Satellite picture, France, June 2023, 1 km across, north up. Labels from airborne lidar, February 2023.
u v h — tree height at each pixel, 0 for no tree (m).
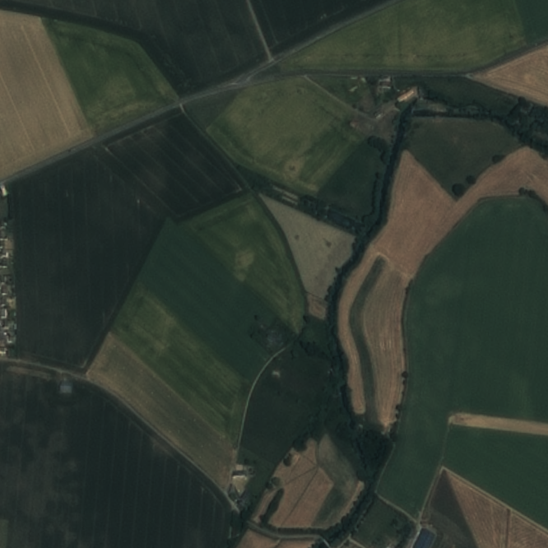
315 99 0
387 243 0
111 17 0
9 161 0
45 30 0
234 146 0
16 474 0
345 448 0
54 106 0
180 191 0
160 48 0
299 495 0
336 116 0
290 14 0
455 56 0
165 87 0
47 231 0
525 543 0
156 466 0
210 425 0
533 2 0
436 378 0
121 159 0
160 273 0
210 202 0
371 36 0
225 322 0
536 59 0
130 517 0
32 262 0
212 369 0
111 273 0
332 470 0
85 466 0
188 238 0
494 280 0
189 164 0
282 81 0
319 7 0
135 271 0
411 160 0
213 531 0
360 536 0
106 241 0
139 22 0
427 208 0
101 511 0
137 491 0
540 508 0
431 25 0
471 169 0
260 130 0
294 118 0
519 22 0
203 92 0
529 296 0
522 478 0
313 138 0
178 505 0
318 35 0
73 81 0
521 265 0
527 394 0
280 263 0
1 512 0
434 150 0
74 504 0
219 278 0
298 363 0
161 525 0
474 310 0
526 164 0
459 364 0
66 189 0
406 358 0
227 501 0
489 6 0
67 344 0
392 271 0
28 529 0
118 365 0
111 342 0
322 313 0
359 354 0
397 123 12
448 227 0
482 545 0
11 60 0
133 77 0
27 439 0
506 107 0
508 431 0
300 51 0
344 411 11
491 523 0
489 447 0
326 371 0
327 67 0
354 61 0
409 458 0
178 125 0
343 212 6
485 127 0
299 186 0
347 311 0
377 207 22
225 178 0
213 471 0
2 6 0
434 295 0
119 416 0
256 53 0
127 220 0
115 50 0
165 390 0
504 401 0
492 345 0
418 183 0
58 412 0
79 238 0
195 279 0
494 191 0
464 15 0
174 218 0
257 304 0
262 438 0
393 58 0
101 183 0
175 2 0
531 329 0
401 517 6
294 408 0
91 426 0
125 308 0
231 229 0
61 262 0
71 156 0
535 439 0
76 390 0
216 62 0
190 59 0
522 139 9
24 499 0
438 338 0
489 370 0
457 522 0
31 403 0
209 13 0
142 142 0
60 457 0
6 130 0
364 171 0
